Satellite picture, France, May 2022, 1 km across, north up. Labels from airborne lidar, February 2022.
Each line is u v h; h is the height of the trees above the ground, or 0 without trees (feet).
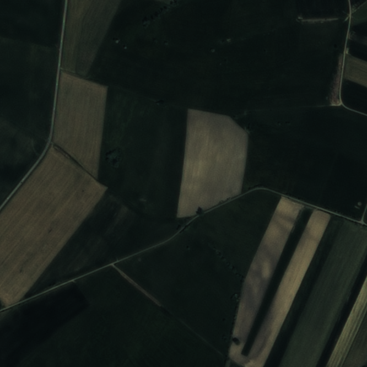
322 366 0
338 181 0
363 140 0
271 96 0
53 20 0
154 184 0
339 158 0
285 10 0
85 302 0
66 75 0
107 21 0
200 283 0
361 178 0
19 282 0
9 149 0
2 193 0
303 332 0
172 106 0
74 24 0
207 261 0
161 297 0
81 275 0
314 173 0
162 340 0
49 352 0
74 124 0
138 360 0
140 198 0
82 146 0
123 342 0
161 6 0
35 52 0
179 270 0
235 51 0
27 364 0
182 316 0
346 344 0
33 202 0
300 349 0
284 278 0
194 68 0
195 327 0
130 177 0
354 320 0
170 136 0
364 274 0
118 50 0
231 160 0
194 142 0
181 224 0
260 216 0
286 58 0
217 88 0
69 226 0
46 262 0
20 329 0
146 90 0
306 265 0
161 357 0
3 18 0
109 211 0
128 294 0
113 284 0
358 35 0
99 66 0
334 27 0
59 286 0
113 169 0
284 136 0
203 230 0
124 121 0
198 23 0
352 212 0
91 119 0
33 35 0
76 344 0
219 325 0
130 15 0
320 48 0
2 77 0
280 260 0
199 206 0
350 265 0
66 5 0
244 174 0
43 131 0
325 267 0
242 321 0
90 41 0
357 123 0
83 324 0
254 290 0
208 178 0
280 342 0
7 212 0
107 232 0
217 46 0
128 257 0
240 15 0
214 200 0
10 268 0
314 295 0
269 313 0
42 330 0
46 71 0
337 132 0
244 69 0
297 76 0
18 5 0
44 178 0
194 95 0
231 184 0
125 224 0
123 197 0
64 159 0
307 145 0
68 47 0
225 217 0
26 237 0
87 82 0
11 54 0
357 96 0
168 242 0
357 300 0
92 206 0
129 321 0
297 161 0
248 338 0
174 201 0
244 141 0
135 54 0
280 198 0
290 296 0
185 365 0
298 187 0
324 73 0
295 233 0
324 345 0
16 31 0
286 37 0
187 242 0
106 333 0
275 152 0
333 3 0
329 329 0
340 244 0
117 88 0
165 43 18
